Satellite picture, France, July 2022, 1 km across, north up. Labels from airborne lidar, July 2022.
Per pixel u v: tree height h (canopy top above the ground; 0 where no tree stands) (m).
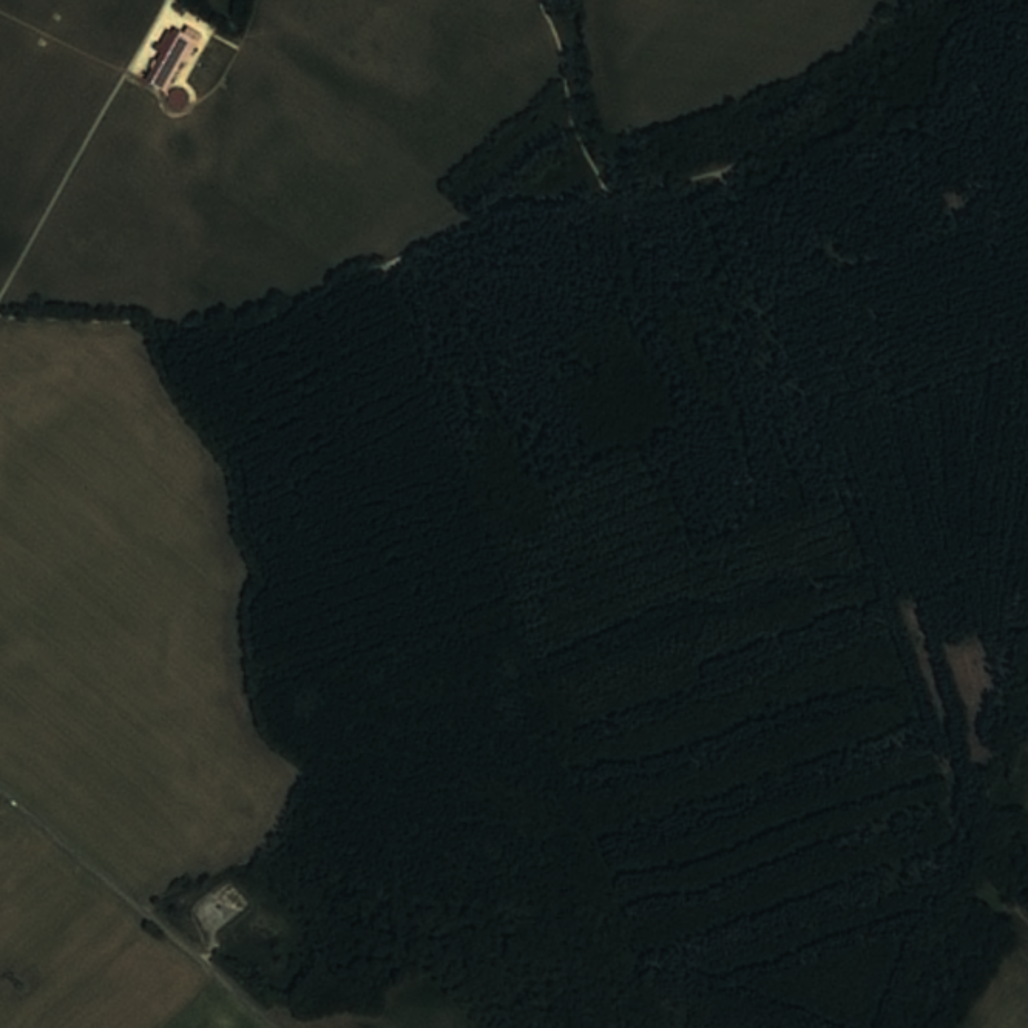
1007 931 25
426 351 20
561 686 11
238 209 0
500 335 25
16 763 0
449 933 15
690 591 20
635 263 19
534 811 10
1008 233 20
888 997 18
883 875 23
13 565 0
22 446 0
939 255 21
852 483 17
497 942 19
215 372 18
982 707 0
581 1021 19
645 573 18
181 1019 0
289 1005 14
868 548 20
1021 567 21
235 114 0
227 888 0
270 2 0
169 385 10
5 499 0
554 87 11
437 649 15
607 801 12
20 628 0
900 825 19
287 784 0
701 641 19
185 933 0
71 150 0
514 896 14
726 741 19
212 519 0
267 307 17
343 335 17
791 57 0
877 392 16
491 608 16
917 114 17
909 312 19
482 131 0
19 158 0
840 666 11
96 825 0
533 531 13
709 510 25
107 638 0
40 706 0
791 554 12
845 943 18
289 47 0
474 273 25
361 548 21
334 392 20
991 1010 0
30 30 0
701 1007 15
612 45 0
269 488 20
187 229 0
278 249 0
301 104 0
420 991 0
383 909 14
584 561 16
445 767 15
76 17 0
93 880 0
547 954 16
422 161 0
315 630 17
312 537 20
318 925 21
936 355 18
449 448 20
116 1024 0
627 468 19
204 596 0
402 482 17
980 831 15
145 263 0
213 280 0
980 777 17
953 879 11
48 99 0
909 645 19
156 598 0
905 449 20
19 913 0
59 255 0
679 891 10
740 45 0
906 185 28
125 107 0
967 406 20
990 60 27
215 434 14
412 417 21
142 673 0
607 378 14
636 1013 17
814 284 28
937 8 20
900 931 18
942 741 19
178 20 0
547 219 24
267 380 19
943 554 19
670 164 16
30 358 0
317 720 17
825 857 15
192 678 0
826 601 14
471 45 0
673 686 12
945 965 21
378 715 14
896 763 18
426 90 0
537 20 0
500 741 15
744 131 5
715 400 12
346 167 0
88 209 0
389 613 18
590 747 13
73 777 0
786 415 25
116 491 0
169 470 0
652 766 21
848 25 0
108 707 0
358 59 0
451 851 16
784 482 22
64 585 0
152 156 0
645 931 16
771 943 11
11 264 0
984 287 21
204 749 0
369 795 18
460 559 19
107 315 11
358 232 0
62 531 0
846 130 8
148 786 0
